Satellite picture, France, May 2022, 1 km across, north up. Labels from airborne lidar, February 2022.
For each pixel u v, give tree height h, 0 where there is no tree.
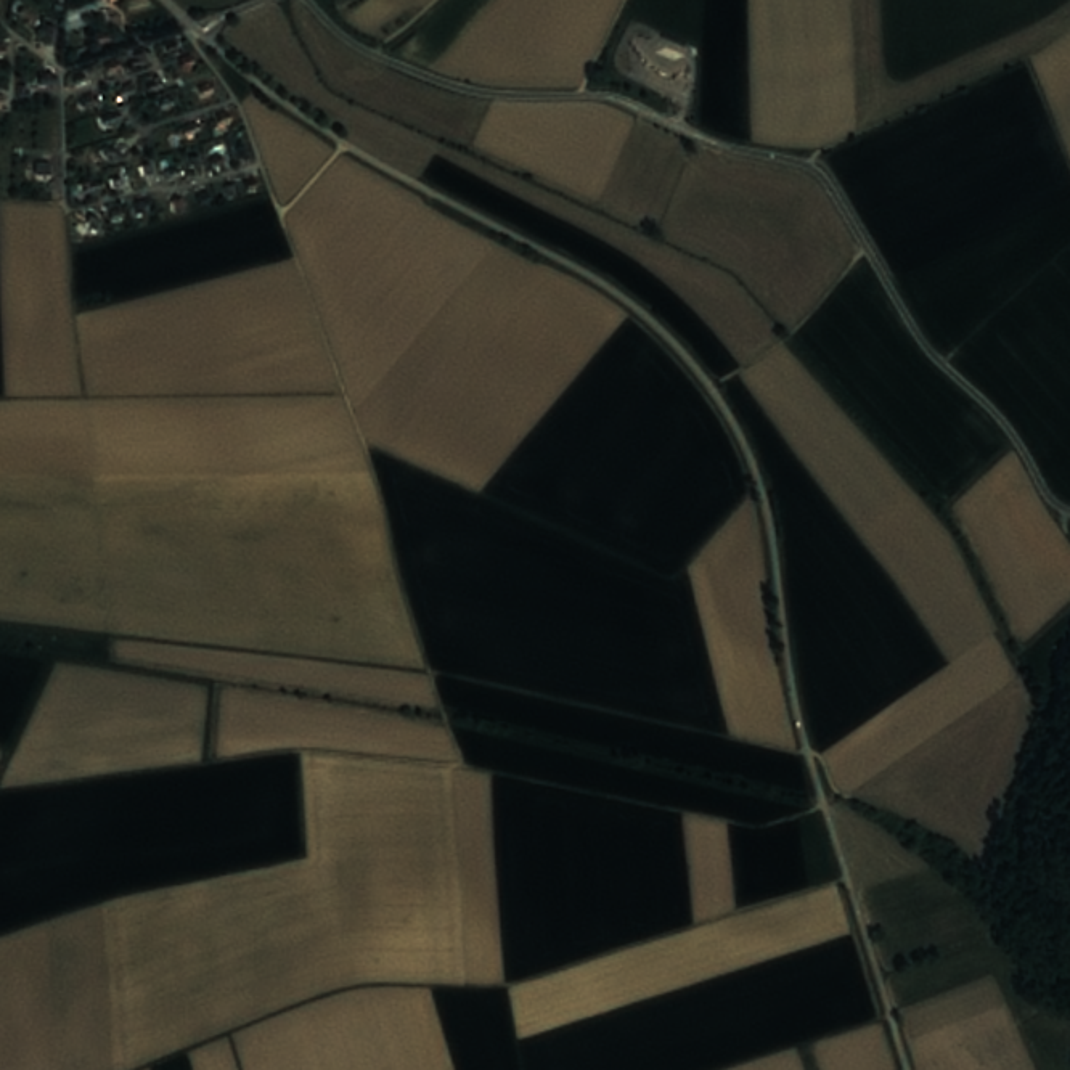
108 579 0
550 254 0
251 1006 0
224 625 0
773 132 0
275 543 0
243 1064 0
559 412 0
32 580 0
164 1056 0
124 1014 0
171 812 0
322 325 0
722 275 0
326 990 0
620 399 0
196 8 7
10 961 0
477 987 0
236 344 0
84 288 0
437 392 0
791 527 0
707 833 0
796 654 0
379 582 0
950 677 0
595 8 0
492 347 0
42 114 0
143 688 0
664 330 0
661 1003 0
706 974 0
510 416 0
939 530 0
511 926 0
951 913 0
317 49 0
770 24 0
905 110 0
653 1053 0
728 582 0
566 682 0
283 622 0
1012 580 0
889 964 0
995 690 0
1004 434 0
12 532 0
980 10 0
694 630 0
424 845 0
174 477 0
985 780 0
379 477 0
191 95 0
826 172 0
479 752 0
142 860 0
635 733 0
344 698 0
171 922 0
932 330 0
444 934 0
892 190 0
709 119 0
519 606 0
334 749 0
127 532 0
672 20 0
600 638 0
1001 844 14
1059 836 24
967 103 0
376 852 0
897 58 0
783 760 0
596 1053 0
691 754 0
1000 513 0
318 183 0
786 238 0
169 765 0
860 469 0
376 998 0
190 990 0
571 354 0
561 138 0
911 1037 0
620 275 0
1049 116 0
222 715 0
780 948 0
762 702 0
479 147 0
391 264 0
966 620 0
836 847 0
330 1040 0
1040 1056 0
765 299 0
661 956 0
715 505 0
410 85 0
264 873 0
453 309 0
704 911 0
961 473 0
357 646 0
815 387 0
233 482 0
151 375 0
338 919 0
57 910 0
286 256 0
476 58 0
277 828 0
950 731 0
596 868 0
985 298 0
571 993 0
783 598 0
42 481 0
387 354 0
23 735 0
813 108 0
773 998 0
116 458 0
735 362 0
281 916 0
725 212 0
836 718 0
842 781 0
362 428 0
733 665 0
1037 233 0
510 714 0
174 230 0
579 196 0
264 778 0
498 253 0
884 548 0
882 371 0
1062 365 0
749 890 0
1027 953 22
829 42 0
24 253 0
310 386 0
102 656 0
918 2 0
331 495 0
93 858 0
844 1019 0
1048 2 0
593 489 0
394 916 0
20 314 0
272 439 0
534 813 0
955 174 0
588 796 0
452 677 0
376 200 0
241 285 0
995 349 0
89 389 0
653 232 23
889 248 0
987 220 0
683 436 0
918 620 0
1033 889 27
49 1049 0
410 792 0
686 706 0
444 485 0
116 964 0
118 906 0
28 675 0
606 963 0
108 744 0
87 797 0
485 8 0
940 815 0
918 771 0
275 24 0
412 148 0
